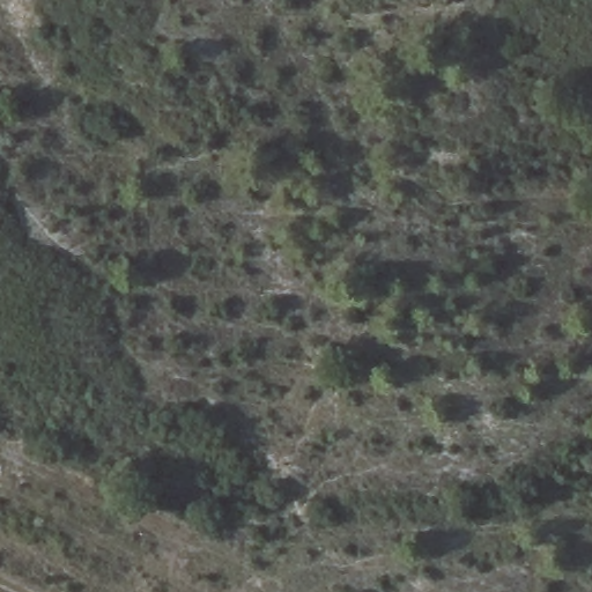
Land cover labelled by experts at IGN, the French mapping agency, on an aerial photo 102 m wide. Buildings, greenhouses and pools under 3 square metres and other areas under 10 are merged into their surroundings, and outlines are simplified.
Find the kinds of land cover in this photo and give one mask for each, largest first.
<instances>
[{"label":"herbaceous vegetation","instance_id":"1","mask_svg":"<svg viewBox=\"0 0 592 592\"><path fill-rule=\"evenodd\" d=\"M319 0H125V12L136 19V28L141 32H150L153 28H157L160 35L176 39L183 67L178 69V74L169 72L164 81L173 88L183 106H192V99L187 95V81L208 83V79H215V97L224 106V118L229 120V125L238 127V111L247 109L252 116L259 118L257 127L266 139L259 143L254 155V187L247 194H224L217 180L204 176L194 187L197 206L187 210L180 204L178 187L173 185V173H150L139 187L134 183L118 185L116 171L109 176V180H102V162L95 155H83V148L65 132L62 90H74L76 95H81L86 93V86L76 76L62 72L60 53L49 51V44L42 37L39 28L42 21L35 14L32 0H0V95L9 99L12 113L21 118L16 127L19 132H14L12 136H0V157L9 164L7 185L14 187L16 201L25 210L30 236L79 257V261H83L90 268V273H97L116 287L109 298L116 303V315L120 319V345L125 354L134 358L141 368V375L146 379V395L157 402H183L185 409L201 414L210 426H220L224 430V446L236 453L245 476L254 483L268 486L273 493L289 500L291 506H287L282 513L254 516L243 520V527L236 530L234 539L229 541H217L201 534L197 527H192L171 511H153L143 516L139 523H123L125 527H132L139 537L153 532L157 539V553L146 555L143 564H132L125 578L116 580V585L109 592H592V541L583 539L580 534V518L543 520V506H523L527 513L532 539H537V543L555 548V564L562 569V574L557 580H550L546 576H537L534 569L527 571L525 567H520V562L525 560V550L516 543V537L511 534L513 523H476L467 518L463 527L444 530H430L428 525L419 523L393 525L391 520H372L370 525H358L354 520V511L345 509L340 502L349 497L354 488L358 493L377 495L421 493L426 497L442 500V493L446 488L458 490L463 481L495 483L509 467H513L516 463H527V458L537 449L546 446V442H537L539 435L553 430H571L574 423L585 426L587 419H592V382L560 379L555 365L560 361H567L574 372L592 370V224L580 222L571 213H567V190L548 185V171L537 167H530L525 171L527 183L513 187L509 157L497 150L488 162H483L476 169V176L469 180V185L465 180L451 183L446 164H460L469 155V148L453 153L432 150L435 139L419 134L421 146L416 153L402 143L391 141L389 164L395 169H405L402 178H395L391 183L393 190L402 194L400 204L379 199L377 183L358 143V113L352 109V97L345 86V67L349 65L352 53L368 46L375 37L365 28L347 30L340 25H331L328 30H321V14L315 7ZM308 153H312L319 164V183L315 187L333 199L347 194L352 199L354 208L338 210V224H328L324 217L301 215V208L284 206V190L280 178L296 169V164ZM488 227H506L511 231V243L504 245L502 254H497V259L493 261L495 271L483 273L479 280L467 278L465 294L456 298L453 310H446L444 298L437 294L442 282L428 275L430 266L435 264L453 273L460 271L463 264L458 261L456 243L465 236V229L481 231ZM326 275H335L340 282H345L352 298H386L393 282H400L402 294L395 305V317L389 324L398 331L393 345L386 347L377 342V338L372 335H358L342 342L340 352L345 356V370L349 375V391L338 389L321 393L317 386H312L308 370L317 368L321 363V356L331 352V347L338 340L326 335H312L310 342L303 340L301 331L326 317V305L312 296ZM576 305L580 310L583 328L587 331L583 342L567 335L560 321V317L571 312ZM372 368H379L386 382L393 384L384 395L372 393ZM525 370H537L539 375V382H534L537 386L527 402L532 407V414L518 419H495L490 414V402L516 398V389L523 384ZM315 497L326 509L333 523L326 530H312L310 513L301 504L303 500ZM402 0H338L331 5V12L340 19H349L354 12L370 14L379 9H398ZM509 21L516 28H525V32L537 35L539 46L532 53L520 56L516 62L520 67H534L541 76L555 74L562 81L583 86V111L592 116V0H493L488 14L460 12L458 16L446 19L442 25L432 30V42L428 46V74L409 72L405 62L398 58V49H389L382 58L384 72L391 76L384 86V95L389 99L409 102L423 116L435 111L437 120L442 123L474 120L479 111H486V104L493 102V88L486 81V76L504 67L500 49L506 39ZM109 123L116 130V134L120 139L141 136L143 127L136 123V118L116 104ZM51 472H65L69 479H79L83 486H93V479L86 472L69 467L67 463L51 465L42 463L39 458L25 456V442L9 439L0 432V497L9 488H19L25 476L46 481ZM72 564L62 555V543L58 541V537H49L46 543H28L19 534H5L0 530V592H83L72 576H67Z\"/></svg>","mask_w":592,"mask_h":592},{"label":"brushwood","instance_id":"2","mask_svg":"<svg viewBox=\"0 0 592 592\"><path fill-rule=\"evenodd\" d=\"M35 14L42 21L39 28L42 37L49 44V51L60 53L62 72L76 76L86 86V93L81 95H76L74 90H62L65 132L83 148V155H95L102 162V180H109V176L116 171L118 185L134 183L139 187L150 173H173V185L178 187L180 204L187 210L197 206L194 187L204 176L217 180L224 194H247L254 187V155L259 143L266 139L257 127L259 118L252 116L247 109L238 111V127L229 125V120L224 118V106L215 97V79H208V83L187 81V95L192 99V106H183L173 88L164 81L169 72L178 74V69L183 67L176 39L160 35L157 28H153L150 32H141L136 28V19L125 12V0H32ZM116 104L136 118V123L143 127L141 136L120 139L116 134V130L109 123ZM338 0H319L315 7L321 14V30H328L331 25H340L347 30L365 28L375 37L368 46L352 53L349 65L345 67V86L352 97V109L358 113V143L377 183L379 199L400 204L402 194L393 190L391 183L395 178H402L405 169H395L389 164L391 141L402 143L416 153L421 146L419 134L435 139L432 150L453 153L469 148V155L460 164H446L451 183L465 180L469 185V180L476 176V169L483 162H488L497 150L509 157L513 187L527 183L525 171L530 167H537L548 171V185L567 190L571 183V171H585V167L592 162V155H585L583 146L574 143L571 134L564 132L560 125L550 120L543 125L534 113L530 97L534 90V81L541 76L534 67H520L516 62L520 56L532 53L539 46L537 35L525 32V28H516L509 21L506 39L500 49L504 67L486 76V81L493 88V102L486 104V111H479L474 120L442 123L437 120L435 111L423 116L409 102L389 99L384 95V86L391 76L384 72L382 58L389 49H398V58L405 62L409 72L428 74V46L432 42V30L442 25L446 19L458 16L460 12L488 14L493 0H402L398 9H379L370 14L354 12L349 19H340L331 12V5ZM21 118L12 113L9 99L0 95V136H12L14 132H19L16 127ZM284 190V206L301 208V215L324 217L328 224H338V210L354 208L352 199L347 194L333 199L315 187L319 183V164L312 153H308L296 164V169L280 178ZM9 164L0 157V432L9 439L25 442L35 437L58 442L69 460L67 463L69 467L86 472L93 479V486H83L79 479H69L65 472H51L46 481L25 476L19 488H9L0 497V530L5 534H19L28 543H46L49 537H58V541L62 543V555L72 564L67 576H72L83 592H109L116 585V580L125 578L132 564H143L146 555L157 553V539L153 532L139 537L132 527H125L123 523L104 513L99 483L104 481V476L118 458H130L132 465H139L143 456H148L155 446L162 444L167 428V402H157L146 395V379L141 375V368L134 358L125 354L120 345V319L116 315V303L109 298L116 287L97 273H90V268L83 261H79V257L30 236L25 210L16 201L14 187L7 185ZM511 243V231L506 227H488L481 231L465 229V236L456 243L458 261L463 264L460 271L453 273L435 264L430 266L428 275L442 282L437 294L444 298L446 310H453L456 298L465 294L467 278L479 280L483 273L495 271L493 261L497 259V254H502L504 245ZM402 294L400 282H393L386 298H352L345 282H340L335 275H326L312 296L326 305V317L301 331L303 340L310 342L312 335H326L338 340L331 347V352L321 356V363L317 368L308 370L312 386H317L321 393L338 389L349 391V375L345 370V356L340 352L342 342L358 335H372L377 338V342L386 347L393 345L398 331L389 324L395 317V305ZM372 393L384 395L393 384L386 382L379 368H372ZM301 504L310 513L312 530H326L333 523L326 509L315 497L303 500Z\"/></svg>","mask_w":592,"mask_h":592},{"label":"deciduous trees","instance_id":"3","mask_svg":"<svg viewBox=\"0 0 592 592\"><path fill-rule=\"evenodd\" d=\"M583 86L562 81L555 74L541 76L534 81V90L530 97L534 113L543 125L550 120L560 125L564 132L571 134L574 143L583 146L585 155H592V116L583 111ZM567 213H571L580 222L592 224V162L585 167V171H571V183L567 190ZM560 321L567 335L583 342L587 331L583 328L580 310L576 305L571 312L560 317ZM560 379L592 382V370L574 372L567 361H560L555 365ZM534 382H539V375L537 370H525L523 384L516 389V398L490 402V414L495 419H518L532 414V407L527 402L537 386ZM167 428L162 444L155 446L148 456H143L139 465H132L130 458H118L104 476V481L99 483L104 513L123 523H139L143 516L153 511H171L192 527H197L201 534L217 541H229L234 539L236 530L243 527V520L254 516L282 513L287 506H291L289 500L273 493L268 486L254 483L245 476L236 453L224 446V430L220 426H210L201 414L185 409L183 402H167ZM537 442H546V446L537 449L527 458V463H516L513 467H509L495 483L463 481L458 490L446 488L442 493V500L426 497L421 493L377 495L358 493L354 488L349 497L340 502L345 509L354 511V520L358 525H370L372 520H391L393 525L419 523L428 525L430 530H444L463 527L467 518L476 523H513L511 534L516 537V543L525 550V560L520 562V567H525L527 571L534 569L537 576H546L550 580H557L562 574V569L555 564V548L537 543V539H532L527 513L523 506H543V520L580 518V534L583 539L592 541V419H587L585 426L574 423L571 430H553L539 435ZM25 456L39 458L42 463L51 465L67 463L69 460L58 442L35 437L25 442Z\"/></svg>","mask_w":592,"mask_h":592}]
</instances>
